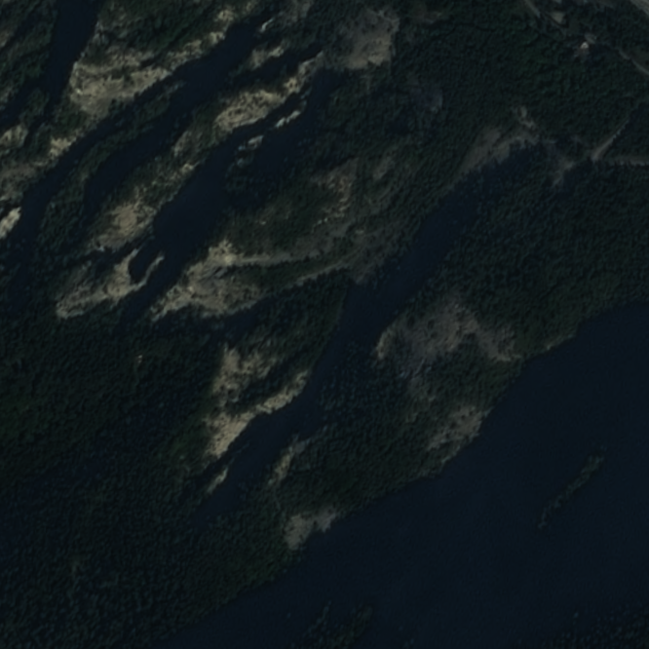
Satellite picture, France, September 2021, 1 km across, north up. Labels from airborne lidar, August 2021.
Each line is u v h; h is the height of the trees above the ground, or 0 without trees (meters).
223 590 21
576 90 15
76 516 16
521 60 18
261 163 9
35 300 8
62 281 10
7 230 0
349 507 11
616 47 6
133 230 0
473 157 0
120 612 31
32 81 9
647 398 8
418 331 0
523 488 14
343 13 6
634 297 13
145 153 10
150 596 17
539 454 8
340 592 8
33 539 18
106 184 10
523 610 0
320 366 0
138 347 12
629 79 11
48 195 6
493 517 6
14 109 6
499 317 7
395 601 0
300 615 14
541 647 11
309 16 8
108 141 8
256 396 11
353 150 7
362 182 6
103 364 14
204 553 21
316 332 11
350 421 10
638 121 14
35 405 11
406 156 9
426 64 11
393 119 11
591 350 8
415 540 11
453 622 0
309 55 5
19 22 6
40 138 6
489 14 12
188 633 15
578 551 7
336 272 7
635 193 9
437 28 11
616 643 13
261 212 7
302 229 9
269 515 11
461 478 0
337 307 11
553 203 11
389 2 7
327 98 7
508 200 10
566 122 11
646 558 8
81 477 14
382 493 10
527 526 8
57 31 6
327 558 14
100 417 20
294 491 8
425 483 7
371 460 11
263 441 0
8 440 16
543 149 9
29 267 13
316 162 6
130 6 7
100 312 7
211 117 8
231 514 8
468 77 14
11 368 11
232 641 17
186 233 10
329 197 7
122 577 16
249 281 8
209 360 16
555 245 9
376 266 0
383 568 19
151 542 20
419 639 0
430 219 6
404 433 7
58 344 19
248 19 12
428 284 8
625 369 9
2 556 19
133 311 8
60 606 9
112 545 17
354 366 11
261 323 8
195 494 14
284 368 12
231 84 8
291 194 9
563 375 10
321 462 10
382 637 13
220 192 8
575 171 6
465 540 0
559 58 11
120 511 10
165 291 6
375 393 8
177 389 18
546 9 7
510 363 7
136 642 27
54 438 15
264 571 19
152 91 0
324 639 11
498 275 7
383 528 7
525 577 9
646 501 0
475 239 9
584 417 11
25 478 20
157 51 7
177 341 15
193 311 9
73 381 24
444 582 8
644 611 17
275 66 6
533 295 9
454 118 9
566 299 6
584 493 12
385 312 18
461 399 9
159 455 12
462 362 7
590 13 15
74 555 13
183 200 0
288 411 0
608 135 10
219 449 0
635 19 10
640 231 8
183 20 9
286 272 10
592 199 13
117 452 18
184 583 28
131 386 19
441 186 6
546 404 8
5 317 13
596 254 12
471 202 6
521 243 7
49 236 7
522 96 11
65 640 30
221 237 8
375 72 6
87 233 6
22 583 19
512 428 0
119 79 8
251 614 14
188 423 12
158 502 14
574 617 11
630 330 10
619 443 7
